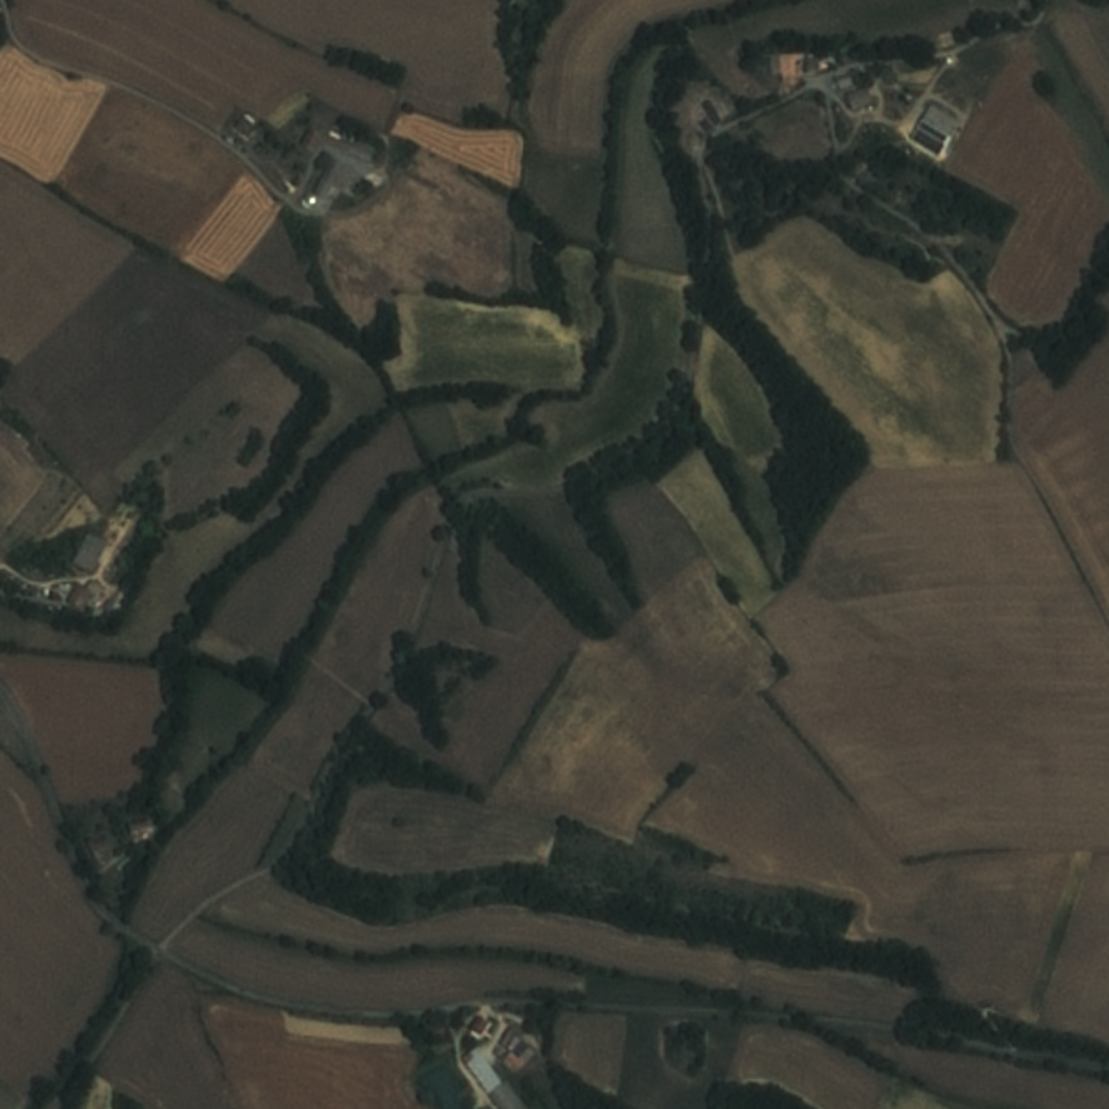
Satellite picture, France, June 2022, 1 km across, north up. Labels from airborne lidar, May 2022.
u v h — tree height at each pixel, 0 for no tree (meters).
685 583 0
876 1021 0
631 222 0
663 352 0
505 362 0
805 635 0
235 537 0
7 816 0
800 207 13
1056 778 0
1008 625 0
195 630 16
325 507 0
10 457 0
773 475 18
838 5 0
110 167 0
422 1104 13
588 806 0
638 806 0
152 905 0
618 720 0
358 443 21
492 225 0
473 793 12
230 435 0
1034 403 0
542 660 0
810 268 0
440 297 14
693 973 0
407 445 0
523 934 0
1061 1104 0
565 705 0
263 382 0
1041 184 0
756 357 16
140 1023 0
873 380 0
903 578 0
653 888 6
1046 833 0
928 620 0
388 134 0
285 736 0
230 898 0
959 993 0
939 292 0
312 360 0
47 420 0
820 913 6
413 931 0
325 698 0
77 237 0
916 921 0
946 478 0
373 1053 0
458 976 0
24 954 0
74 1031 0
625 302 0
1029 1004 0
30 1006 0
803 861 0
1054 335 12
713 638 0
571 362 0
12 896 0
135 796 10
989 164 0
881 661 0
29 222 0
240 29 0
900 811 0
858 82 12
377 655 0
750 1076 0
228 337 0
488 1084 0
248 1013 0
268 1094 0
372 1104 0
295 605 0
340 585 14
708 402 0
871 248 14
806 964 21
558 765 0
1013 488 0
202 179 0
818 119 0
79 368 0
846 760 0
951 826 0
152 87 0
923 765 0
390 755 18
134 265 0
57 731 0
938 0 0
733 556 0
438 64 0
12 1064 0
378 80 10
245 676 20
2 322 0
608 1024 0
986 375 0
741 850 0
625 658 0
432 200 0
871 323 0
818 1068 0
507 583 0
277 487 15
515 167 0
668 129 10
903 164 17
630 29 0
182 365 0
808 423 16
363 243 0
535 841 0
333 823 11
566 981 0
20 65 0
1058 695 0
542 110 0
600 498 6
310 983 0
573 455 0
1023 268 0
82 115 0
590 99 0
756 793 0
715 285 15
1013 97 0
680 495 0
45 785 0
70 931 0
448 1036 8
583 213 0
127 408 0
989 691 0
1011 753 0
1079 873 0
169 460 8
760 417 0
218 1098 0
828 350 0
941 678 0
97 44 0
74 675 0
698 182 8
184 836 0
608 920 16
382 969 0
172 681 9
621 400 0
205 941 0
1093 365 0
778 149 0
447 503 9
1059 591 0
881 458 0
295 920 0
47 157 0
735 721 0
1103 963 0
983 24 21
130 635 0
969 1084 0
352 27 0
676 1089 0
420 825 0
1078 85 0
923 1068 0
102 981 0
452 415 0
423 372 0
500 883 11
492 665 7
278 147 11
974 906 0
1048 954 0
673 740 0
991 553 0
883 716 0
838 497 9
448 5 0
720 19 15
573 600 17
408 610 0
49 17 0
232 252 0
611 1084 0
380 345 15
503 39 15
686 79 8
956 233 9
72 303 0
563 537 0
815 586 0
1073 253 0
